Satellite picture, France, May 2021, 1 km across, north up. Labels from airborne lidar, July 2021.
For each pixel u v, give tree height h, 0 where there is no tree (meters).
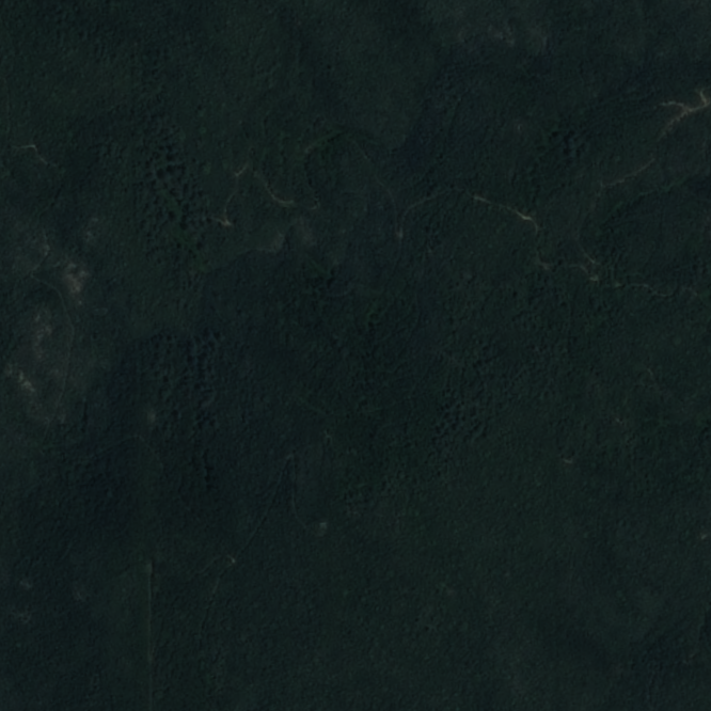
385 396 7
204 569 7
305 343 8
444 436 13
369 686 10
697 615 8
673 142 10
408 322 6
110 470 10
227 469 9
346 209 9
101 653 7
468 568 6
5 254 7
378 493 8
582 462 6
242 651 7
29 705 7
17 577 6
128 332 8
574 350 9
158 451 8
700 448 10
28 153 6
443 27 11
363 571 7
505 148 8
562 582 6
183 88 8
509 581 7
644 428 7
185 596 7
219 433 9
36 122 9
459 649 8
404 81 7
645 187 10
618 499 7
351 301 6
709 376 7
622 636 6
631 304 7
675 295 7
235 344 6
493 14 8
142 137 22
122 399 13
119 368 9
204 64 6
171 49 9
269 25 7
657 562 6
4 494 8
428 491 8
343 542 6
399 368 10
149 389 7
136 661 6
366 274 6
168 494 9
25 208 8
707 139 6
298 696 6
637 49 6
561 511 8
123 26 17
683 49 7
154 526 10
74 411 7
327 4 6
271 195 7
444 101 8
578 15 12
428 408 7
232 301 7
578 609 8
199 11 10
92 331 10
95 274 6
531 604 11
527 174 8
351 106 7
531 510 8
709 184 10
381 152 8
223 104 6
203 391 17
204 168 14
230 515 8
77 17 11
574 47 6
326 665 6
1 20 9
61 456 6
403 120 6
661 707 7
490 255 7
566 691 6
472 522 7
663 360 8
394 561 10
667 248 7
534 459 7
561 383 7
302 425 7
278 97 6
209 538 7
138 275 5
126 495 12
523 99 6
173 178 18
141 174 18
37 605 7
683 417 6
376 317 8
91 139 14
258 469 9
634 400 7
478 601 7
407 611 6
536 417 7
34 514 10
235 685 11
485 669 5
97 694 10
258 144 7
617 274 8
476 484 6
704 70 9
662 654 6
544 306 10
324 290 16
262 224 9
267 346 7
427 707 7
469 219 6
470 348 8
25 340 9
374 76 8
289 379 8
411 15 13
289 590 6
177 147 20
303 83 8
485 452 7
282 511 7
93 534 9
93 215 6
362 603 10
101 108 17
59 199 9
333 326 7
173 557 7
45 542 8
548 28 6
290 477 7
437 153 10
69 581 6
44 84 7
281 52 9
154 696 8
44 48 8
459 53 6
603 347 7
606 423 10
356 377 12
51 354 5
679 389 7
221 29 7
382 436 5
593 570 7
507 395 14
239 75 7
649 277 8
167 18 7
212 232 8
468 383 11
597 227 6
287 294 10
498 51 7
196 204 11
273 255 6
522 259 9
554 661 8
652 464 8
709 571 6
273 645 8
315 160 9
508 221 7
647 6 9
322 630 6
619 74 6
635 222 6
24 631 7
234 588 7
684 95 7
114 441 8
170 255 11
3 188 6
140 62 14
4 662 6
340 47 7
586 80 7
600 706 8
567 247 6
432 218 8
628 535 6
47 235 8
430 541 7
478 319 8
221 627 9
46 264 7
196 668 9
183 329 11
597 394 6
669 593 6
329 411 9
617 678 10
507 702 6
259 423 8
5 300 8
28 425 7
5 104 7
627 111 7
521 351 8
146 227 19
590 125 8
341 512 6
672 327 7
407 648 9
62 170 11
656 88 7
